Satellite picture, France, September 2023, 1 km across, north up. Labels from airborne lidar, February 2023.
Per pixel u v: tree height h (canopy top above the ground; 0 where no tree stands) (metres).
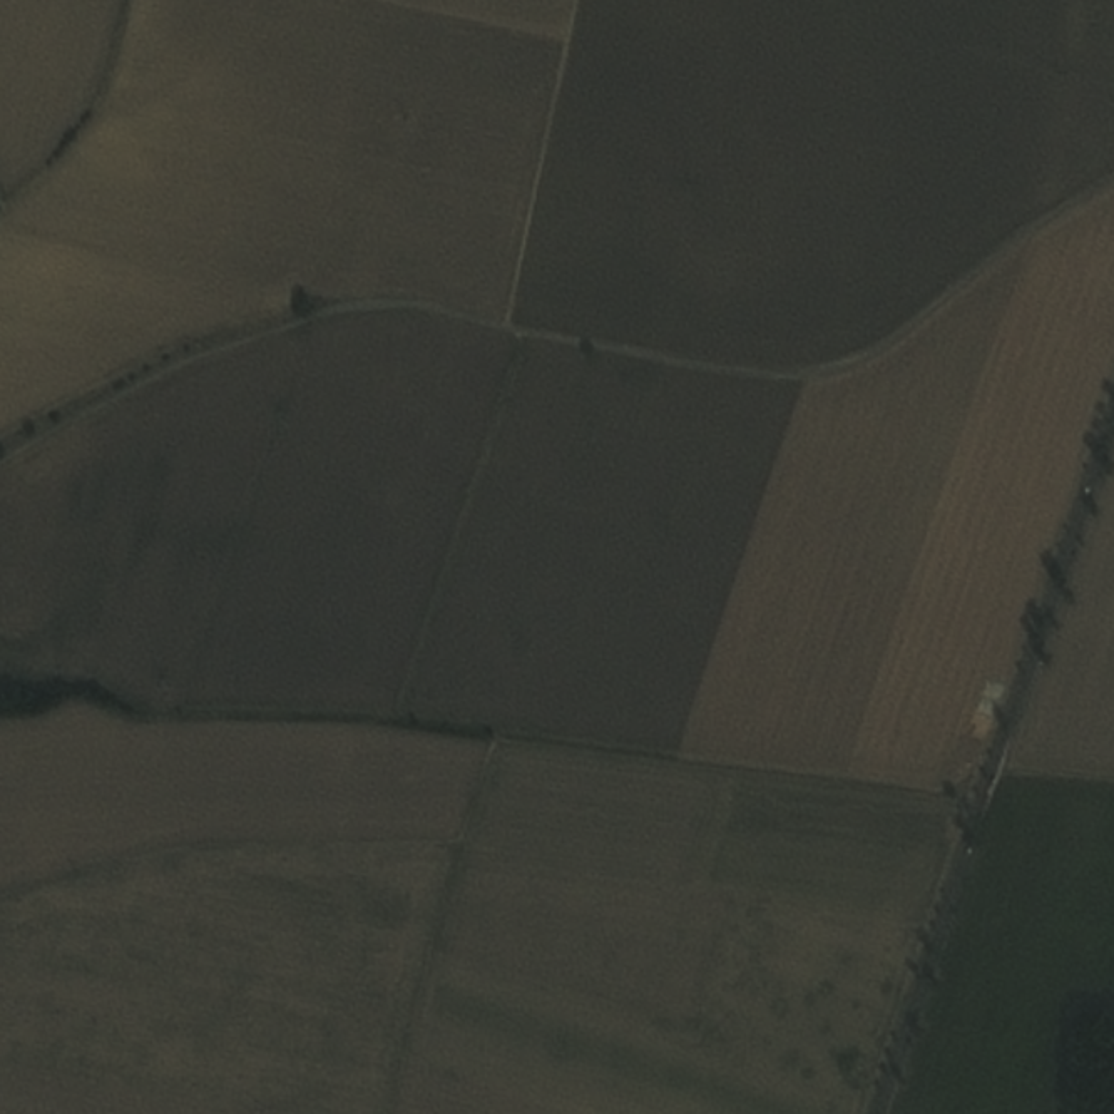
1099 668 0
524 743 0
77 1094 0
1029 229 0
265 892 0
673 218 0
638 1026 0
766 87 0
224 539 0
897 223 0
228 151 0
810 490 0
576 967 0
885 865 0
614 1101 0
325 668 0
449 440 0
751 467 0
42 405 0
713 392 0
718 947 0
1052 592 0
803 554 0
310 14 0
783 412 0
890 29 0
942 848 0
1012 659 0
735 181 0
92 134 0
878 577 0
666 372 0
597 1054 0
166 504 0
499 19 0
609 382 0
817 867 0
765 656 0
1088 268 0
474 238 0
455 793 0
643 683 0
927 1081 0
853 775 0
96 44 0
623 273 0
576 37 0
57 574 0
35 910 0
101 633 0
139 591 0
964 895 0
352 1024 0
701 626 0
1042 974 0
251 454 0
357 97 0
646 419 0
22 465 0
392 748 0
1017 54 0
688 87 0
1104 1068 26
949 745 0
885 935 0
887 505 0
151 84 0
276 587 0
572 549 0
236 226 0
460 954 0
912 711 0
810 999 0
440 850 0
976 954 0
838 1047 0
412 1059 0
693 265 0
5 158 0
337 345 0
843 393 0
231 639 0
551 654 0
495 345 0
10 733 0
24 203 0
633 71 0
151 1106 0
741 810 0
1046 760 0
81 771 0
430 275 0
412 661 0
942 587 0
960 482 0
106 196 0
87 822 0
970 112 0
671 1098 0
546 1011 0
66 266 0
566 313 0
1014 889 0
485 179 0
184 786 0
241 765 0
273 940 0
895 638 0
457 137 0
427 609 0
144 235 0
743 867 0
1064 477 0
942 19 0
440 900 0
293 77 0
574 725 0
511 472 0
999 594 0
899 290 0
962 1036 0
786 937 0
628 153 0
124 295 0
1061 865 0
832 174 0
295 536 0
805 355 0
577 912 0
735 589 0
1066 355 0
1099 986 0
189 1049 0
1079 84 0
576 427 0
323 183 0
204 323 0
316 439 0
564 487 0
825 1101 0
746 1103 0
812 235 0
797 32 0
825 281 0
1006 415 0
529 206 0
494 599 0
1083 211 0
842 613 0
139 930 0
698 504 0
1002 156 0
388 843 0
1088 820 0
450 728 0
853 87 0
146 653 0
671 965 0
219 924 0
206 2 0
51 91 0
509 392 0
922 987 0
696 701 0
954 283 0
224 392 0
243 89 0
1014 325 0
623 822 0
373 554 0
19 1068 0
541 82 0
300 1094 0
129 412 0
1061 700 0
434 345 0
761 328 0
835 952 0
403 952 0
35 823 0
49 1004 0
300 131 0
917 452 0
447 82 0
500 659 0
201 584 0
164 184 0
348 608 0
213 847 0
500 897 0
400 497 0
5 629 0
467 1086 0
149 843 0
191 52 0
